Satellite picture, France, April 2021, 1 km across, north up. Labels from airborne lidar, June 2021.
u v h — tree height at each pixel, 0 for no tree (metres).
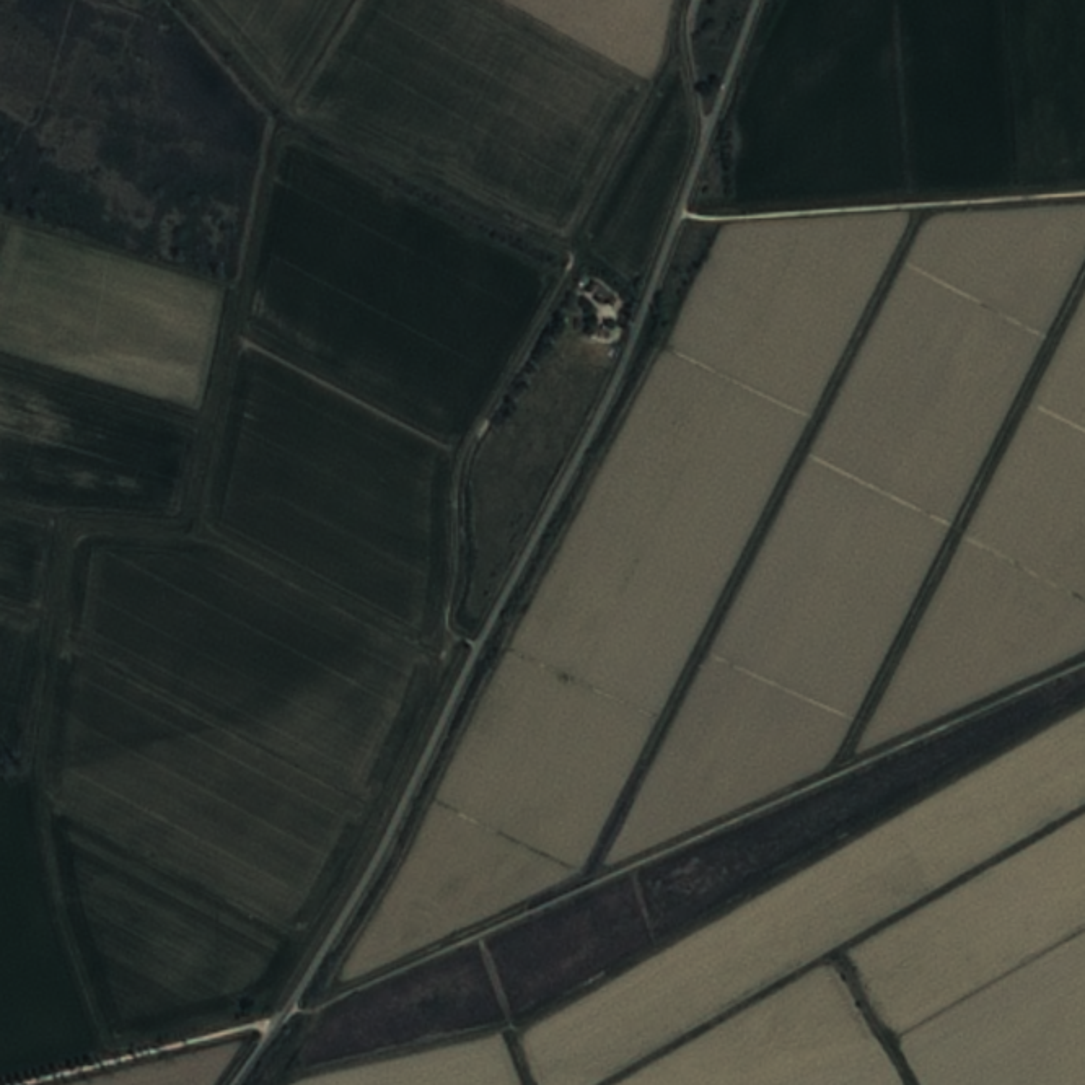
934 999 0
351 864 0
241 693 0
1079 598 0
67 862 0
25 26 0
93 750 0
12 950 0
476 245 0
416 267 0
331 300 0
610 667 0
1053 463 0
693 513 0
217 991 0
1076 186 0
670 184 0
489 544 0
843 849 0
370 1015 0
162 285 0
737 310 0
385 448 0
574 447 0
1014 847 0
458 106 0
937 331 0
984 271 0
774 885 0
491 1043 0
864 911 0
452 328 0
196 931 0
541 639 0
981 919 0
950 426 0
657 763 0
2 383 0
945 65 0
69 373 0
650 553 0
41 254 0
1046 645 0
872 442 0
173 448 0
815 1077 0
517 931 0
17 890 0
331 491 0
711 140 0
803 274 0
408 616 0
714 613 0
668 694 0
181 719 0
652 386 0
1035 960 0
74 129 0
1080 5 0
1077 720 0
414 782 0
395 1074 0
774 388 0
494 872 0
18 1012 0
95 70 0
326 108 0
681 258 0
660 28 0
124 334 0
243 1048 0
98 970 0
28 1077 7
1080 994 0
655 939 0
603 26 0
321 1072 0
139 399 0
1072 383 0
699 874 0
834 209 0
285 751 0
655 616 0
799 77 0
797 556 0
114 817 0
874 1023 0
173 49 5
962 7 0
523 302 0
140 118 0
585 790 0
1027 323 0
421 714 0
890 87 0
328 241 0
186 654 0
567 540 0
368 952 0
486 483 0
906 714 0
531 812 0
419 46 0
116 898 0
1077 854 0
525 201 0
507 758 0
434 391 0
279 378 0
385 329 0
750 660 0
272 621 0
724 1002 0
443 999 0
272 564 0
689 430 0
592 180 0
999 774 0
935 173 0
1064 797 0
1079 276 0
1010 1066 0
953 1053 0
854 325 0
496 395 0
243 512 0
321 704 0
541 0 0
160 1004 0
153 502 0
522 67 0
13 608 0
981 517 0
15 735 0
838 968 0
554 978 0
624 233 0
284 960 0
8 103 0
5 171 6
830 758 0
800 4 0
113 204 0
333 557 0
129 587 0
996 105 0
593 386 0
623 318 9
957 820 0
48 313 0
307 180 0
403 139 0
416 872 0
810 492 0
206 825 0
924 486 0
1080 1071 0
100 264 0
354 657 0
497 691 0
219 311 0
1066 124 0
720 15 0
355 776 0
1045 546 0
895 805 0
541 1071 0
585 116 0
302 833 0
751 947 0
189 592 0
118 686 0
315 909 0
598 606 0
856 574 0
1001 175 0
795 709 0
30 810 0
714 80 9
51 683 0
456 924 0
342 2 0
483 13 0
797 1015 0
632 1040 0
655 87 0
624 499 0
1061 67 0
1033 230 0
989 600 0
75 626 0
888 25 0
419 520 0
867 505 0
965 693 0
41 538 0
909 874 0
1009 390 0
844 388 0
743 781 0
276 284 0
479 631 0
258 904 0
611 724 0
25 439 0
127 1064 19
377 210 0
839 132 0
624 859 0
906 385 0
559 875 0
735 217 0
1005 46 0
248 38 0
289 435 0
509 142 0
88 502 0
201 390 0
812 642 0
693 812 0
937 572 0
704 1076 0
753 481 0
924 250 0
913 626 0
